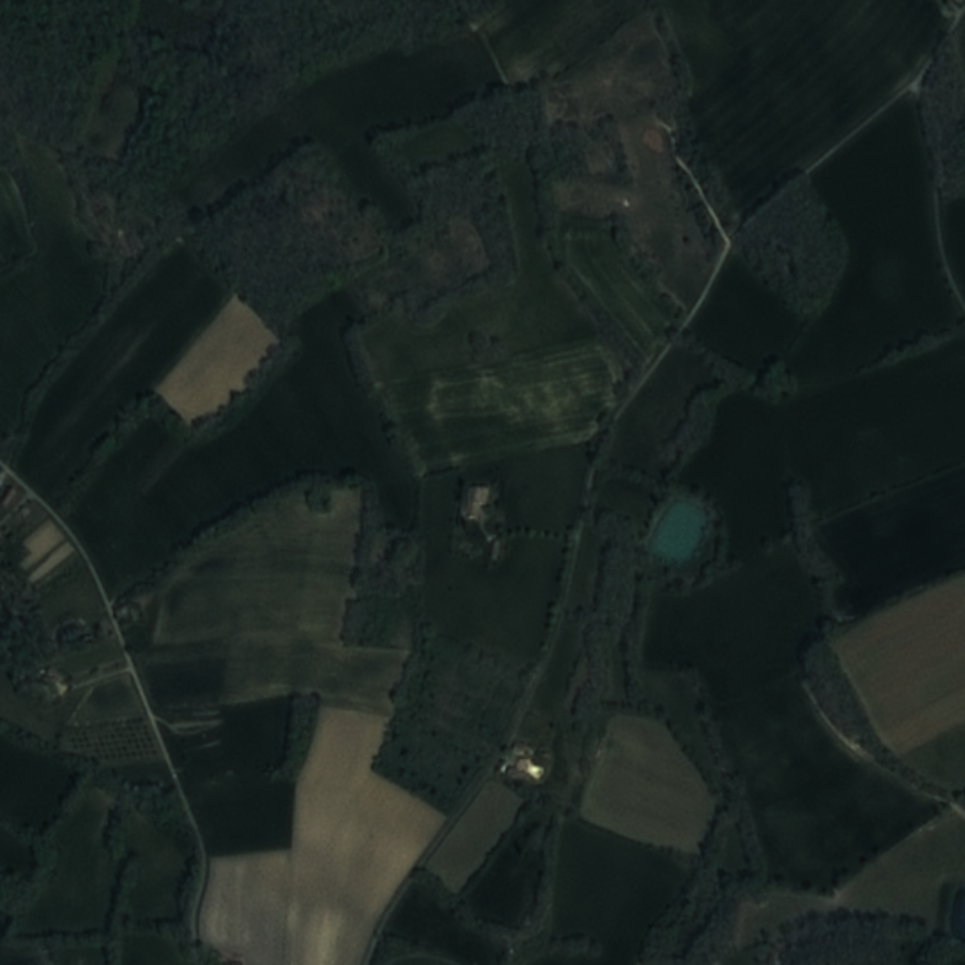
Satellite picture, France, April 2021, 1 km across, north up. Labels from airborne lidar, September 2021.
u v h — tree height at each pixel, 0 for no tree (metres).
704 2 0
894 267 0
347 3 22
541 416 0
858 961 20
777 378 17
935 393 0
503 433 0
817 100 0
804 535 15
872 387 0
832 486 0
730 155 0
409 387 0
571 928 0
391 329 0
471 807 0
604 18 0
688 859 9
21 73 17
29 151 0
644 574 17
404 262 6
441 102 0
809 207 24
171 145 21
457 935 0
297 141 0
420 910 0
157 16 6
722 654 0
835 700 19
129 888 15
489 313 0
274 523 0
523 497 0
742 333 0
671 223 0
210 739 0
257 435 0
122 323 0
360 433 0
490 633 0
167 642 0
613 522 16
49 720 0
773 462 0
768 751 0
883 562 0
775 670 0
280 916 0
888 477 0
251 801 0
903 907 0
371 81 0
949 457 0
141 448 0
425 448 0
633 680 17
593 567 0
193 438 14
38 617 10
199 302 0
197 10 24
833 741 0
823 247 22
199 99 20
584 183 15
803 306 21
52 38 22
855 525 0
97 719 0
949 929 0
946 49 14
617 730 0
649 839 0
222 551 0
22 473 0
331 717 0
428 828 0
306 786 0
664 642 0
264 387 6
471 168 16
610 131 15
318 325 0
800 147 0
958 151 17
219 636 0
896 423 0
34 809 0
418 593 11
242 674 0
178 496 0
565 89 0
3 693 0
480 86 0
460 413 0
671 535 0
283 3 19
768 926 0
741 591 0
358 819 0
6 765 0
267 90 19
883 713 0
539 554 0
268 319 19
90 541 0
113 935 14
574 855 0
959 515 0
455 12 21
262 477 0
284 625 0
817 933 16
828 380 0
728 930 18
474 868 0
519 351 0
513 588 0
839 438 0
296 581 0
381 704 0
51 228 0
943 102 16
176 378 0
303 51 20
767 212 17
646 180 0
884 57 0
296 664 0
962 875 0
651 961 14
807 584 0
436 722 0
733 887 22
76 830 0
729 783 14
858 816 0
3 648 19
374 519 16
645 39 0
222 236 20
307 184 13
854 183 0
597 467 20
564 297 0
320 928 0
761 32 0
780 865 0
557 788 0
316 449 0
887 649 0
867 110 0
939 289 0
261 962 0
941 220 0
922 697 0
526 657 0
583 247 0
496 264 12
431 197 17
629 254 12
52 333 0
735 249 11
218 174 0
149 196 16
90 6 22
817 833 0
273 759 0
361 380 17
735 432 0
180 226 19
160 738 0
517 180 0
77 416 0
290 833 0
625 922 0
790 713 0
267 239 19
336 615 0
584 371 0
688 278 0
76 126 20
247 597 0
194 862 10
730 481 0
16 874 13
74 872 0
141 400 10
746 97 0
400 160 14
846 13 0
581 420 0
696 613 0
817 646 17
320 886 0
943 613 0
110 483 0
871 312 0
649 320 0
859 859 0
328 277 21
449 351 0
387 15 24
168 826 13
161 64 23
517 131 20
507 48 0
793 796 0
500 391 0
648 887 0
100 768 15
